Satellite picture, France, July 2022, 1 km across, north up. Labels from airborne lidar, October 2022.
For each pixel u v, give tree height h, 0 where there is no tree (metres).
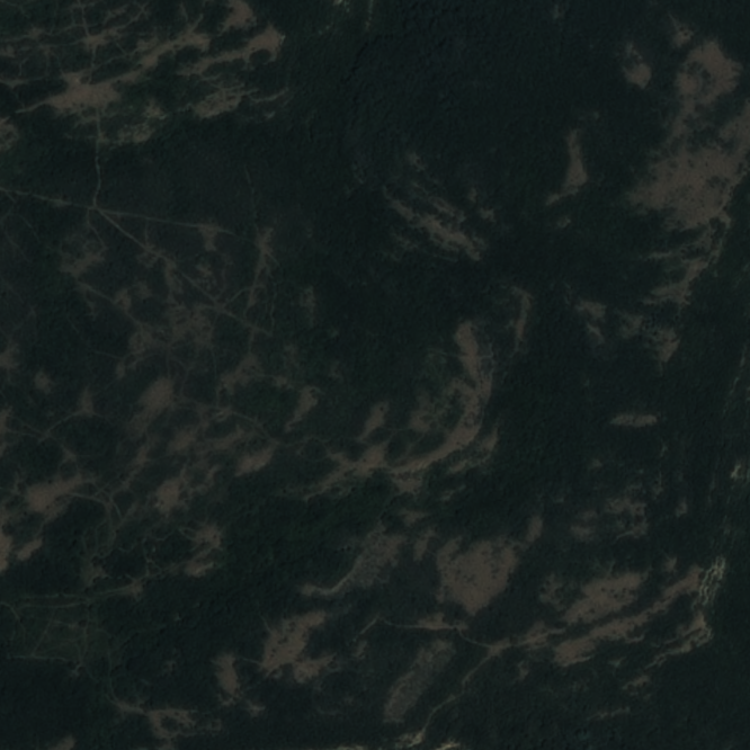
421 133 9
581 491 6
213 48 6
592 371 8
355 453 6
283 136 8
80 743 11
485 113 10
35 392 7
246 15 0
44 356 6
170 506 0
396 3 10
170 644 5
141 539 6
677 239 7
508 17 11
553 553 6
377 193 7
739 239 10
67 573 11
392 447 8
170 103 7
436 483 8
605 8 7
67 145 7
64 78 0
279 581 8
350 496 10
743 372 6
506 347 6
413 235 7
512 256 11
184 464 0
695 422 11
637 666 8
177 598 18
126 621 8
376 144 6
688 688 7
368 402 6
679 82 0
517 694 8
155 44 0
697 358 8
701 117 0
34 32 0
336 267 13
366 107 7
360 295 10
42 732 7
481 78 9
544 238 7
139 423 0
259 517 8
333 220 13
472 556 0
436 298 7
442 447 0
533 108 14
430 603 5
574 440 6
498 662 6
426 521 6
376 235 10
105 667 9
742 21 10
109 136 6
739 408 10
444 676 7
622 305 7
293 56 8
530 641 0
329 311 6
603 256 6
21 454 6
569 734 15
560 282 7
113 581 6
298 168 6
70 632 0
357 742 10
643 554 8
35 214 7
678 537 6
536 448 6
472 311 6
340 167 11
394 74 9
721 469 9
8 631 6
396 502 10
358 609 6
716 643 9
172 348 0
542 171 8
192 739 5
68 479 0
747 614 15
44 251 7
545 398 10
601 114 5
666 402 7
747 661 12
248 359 0
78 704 12
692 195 0
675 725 10
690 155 0
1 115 8
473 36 11
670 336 0
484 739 12
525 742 15
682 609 6
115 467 0
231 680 0
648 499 7
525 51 11
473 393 0
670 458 6
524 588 6
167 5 7
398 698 0
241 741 10
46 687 9
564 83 10
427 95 7
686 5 10
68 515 7
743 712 10
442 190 6
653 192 0
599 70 7
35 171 6
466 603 0
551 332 9
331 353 9
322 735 11
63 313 6
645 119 6
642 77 0
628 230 6
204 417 0
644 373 7
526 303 0
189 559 7
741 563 9
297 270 6
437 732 12
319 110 8
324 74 13
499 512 7
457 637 5
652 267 6
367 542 0
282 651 0
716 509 11
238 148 9
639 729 6
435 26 16
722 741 5
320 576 7
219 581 14
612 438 8
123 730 6
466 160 6
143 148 7
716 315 15
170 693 10
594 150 7
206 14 7
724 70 0
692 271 0
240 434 0
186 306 0
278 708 9
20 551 0
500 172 6
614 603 0
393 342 6
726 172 0
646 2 6
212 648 10
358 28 10
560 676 6
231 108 6
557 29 6
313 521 9
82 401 0
